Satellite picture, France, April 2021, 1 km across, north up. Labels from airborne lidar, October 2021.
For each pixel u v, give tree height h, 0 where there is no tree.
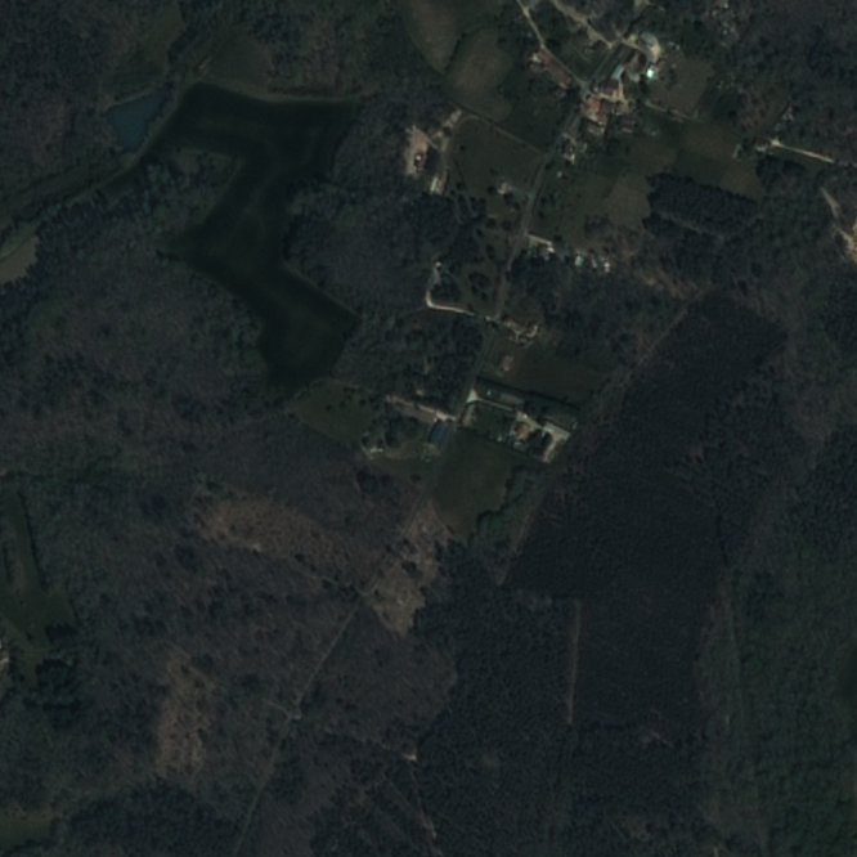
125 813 24
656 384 8
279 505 14
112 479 14
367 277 17
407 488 6
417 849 13
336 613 12
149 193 16
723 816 18
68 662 13
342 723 8
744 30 17
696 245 21
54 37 22
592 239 17
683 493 7
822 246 21
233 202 0
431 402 8
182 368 18
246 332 15
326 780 11
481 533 15
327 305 0
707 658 8
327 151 0
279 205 0
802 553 21
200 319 10
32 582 0
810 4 9
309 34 18
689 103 0
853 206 8
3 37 14
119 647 16
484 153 0
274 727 18
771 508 15
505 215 0
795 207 16
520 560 7
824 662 18
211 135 0
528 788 18
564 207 6
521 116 0
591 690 8
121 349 14
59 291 16
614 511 7
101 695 17
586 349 7
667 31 7
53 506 19
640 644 8
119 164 16
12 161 15
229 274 0
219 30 26
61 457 18
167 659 17
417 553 19
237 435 9
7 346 20
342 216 24
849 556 18
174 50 0
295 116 0
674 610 6
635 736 20
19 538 0
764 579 20
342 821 7
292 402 10
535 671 20
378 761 13
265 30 19
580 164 6
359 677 7
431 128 14
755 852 20
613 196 0
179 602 13
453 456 0
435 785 18
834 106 11
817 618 19
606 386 11
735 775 11
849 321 19
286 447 12
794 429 22
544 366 0
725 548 21
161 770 21
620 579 6
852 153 17
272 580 17
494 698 20
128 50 16
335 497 12
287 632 16
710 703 17
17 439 17
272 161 0
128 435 18
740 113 8
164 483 15
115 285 17
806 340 17
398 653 13
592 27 13
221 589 16
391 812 10
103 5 18
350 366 11
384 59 19
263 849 14
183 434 9
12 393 16
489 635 20
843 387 21
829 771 20
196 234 0
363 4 19
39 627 0
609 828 16
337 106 0
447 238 21
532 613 15
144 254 15
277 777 7
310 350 0
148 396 12
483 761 18
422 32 0
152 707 13
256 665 16
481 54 0
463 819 21
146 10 10
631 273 14
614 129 7
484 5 0
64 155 11
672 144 0
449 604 15
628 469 7
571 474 9
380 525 6
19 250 0
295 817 13
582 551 8
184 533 15
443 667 12
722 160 0
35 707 12
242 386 17
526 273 22
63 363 13
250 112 0
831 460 24
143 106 0
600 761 21
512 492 17
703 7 10
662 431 8
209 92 0
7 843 0
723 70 0
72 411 16
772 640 21
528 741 18
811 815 26
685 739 7
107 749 17
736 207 18
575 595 7
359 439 0
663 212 13
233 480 12
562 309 9
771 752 15
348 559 6
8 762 23
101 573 17
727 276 25
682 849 6
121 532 17
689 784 22
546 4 13
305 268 18
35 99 9
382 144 9
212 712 16
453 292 13
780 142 10
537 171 6
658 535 7
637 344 12
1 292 11
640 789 20
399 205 17
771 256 13
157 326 16
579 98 7
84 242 22
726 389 7
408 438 18
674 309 6
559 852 22
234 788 20
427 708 7
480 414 10
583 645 7
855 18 14
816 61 23
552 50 14
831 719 26
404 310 9
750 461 13
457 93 0
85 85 20
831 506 25
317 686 9
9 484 16
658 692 7
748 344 8
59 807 19
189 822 28
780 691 16
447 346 13
